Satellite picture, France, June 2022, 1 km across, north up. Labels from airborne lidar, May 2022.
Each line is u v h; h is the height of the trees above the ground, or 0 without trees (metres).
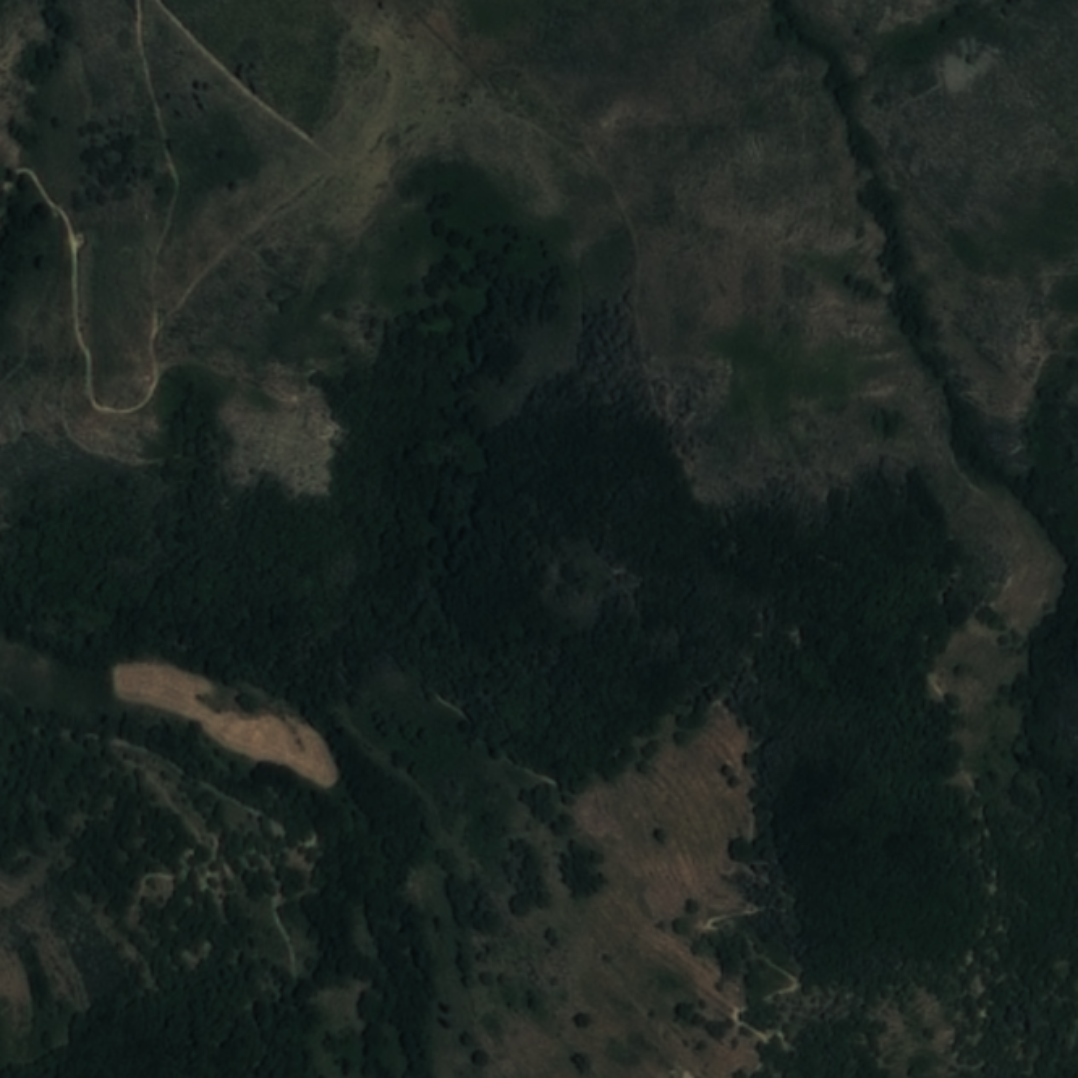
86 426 0
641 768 9
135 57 0
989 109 0
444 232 17
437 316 17
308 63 0
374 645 15
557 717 12
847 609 25
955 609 23
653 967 0
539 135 0
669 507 14
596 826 0
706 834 0
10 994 0
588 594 11
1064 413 0
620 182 0
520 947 0
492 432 6
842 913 19
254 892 13
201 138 0
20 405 0
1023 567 0
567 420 17
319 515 7
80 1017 13
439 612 8
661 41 0
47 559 16
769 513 16
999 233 0
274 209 0
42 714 15
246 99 0
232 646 15
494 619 19
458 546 17
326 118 0
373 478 10
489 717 17
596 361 12
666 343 0
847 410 0
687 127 0
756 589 19
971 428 10
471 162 0
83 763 7
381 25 0
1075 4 0
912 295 19
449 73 0
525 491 19
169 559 10
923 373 0
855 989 9
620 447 13
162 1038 22
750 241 0
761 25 0
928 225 0
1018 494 13
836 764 20
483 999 0
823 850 25
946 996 10
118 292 0
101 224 0
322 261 0
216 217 0
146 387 0
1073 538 9
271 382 0
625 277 7
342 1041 7
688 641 11
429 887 0
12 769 16
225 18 0
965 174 0
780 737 17
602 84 0
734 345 0
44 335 0
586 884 11
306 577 10
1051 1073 16
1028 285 0
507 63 0
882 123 0
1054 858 15
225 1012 23
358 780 19
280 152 0
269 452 0
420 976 15
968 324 0
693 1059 0
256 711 11
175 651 16
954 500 0
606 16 0
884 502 17
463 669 11
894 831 22
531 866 9
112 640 20
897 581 23
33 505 9
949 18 8
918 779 12
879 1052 7
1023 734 12
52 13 19
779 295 0
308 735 0
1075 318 0
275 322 0
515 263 0
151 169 7
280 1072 20
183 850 8
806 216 0
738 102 0
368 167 0
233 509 7
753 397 0
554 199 0
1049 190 0
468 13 0
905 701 14
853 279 22
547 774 14
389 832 8
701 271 0
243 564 13
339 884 11
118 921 7
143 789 8
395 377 8
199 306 0
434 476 14
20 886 0
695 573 14
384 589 21
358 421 13
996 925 10
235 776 11
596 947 0
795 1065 13
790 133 0
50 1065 14
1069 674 6
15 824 11
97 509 10
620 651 21
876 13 0
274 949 0
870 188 11
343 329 0
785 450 0
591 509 14
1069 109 0
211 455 12
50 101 0
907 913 19
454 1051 0
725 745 0
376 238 0
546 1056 0
